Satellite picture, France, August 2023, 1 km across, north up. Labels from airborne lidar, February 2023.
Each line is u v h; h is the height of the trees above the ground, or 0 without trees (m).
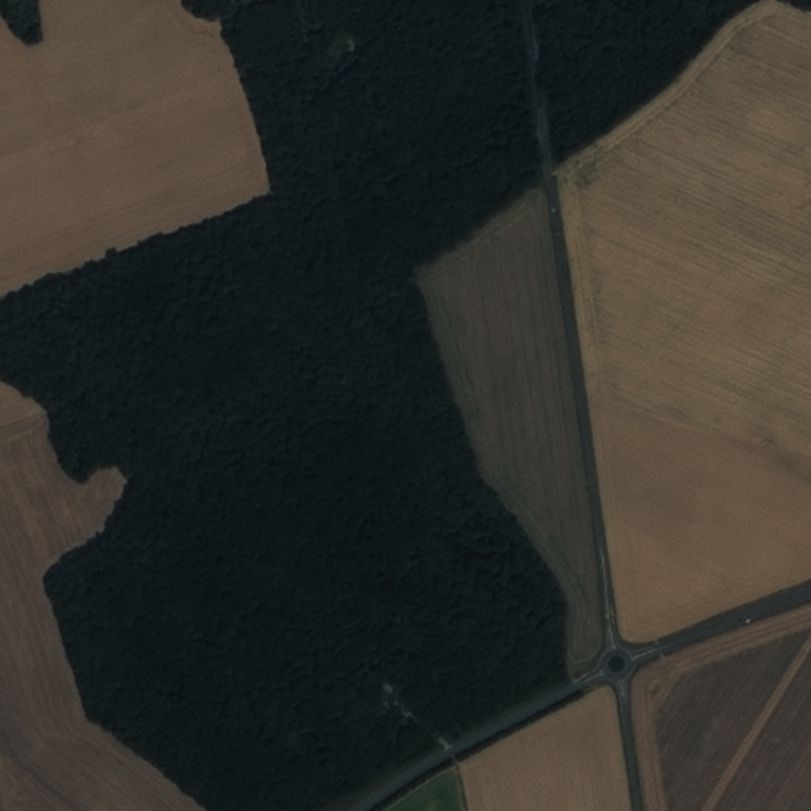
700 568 0
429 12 21
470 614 19
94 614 22
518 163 20
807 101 0
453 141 24
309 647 18
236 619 25
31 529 0
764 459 0
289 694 23
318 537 22
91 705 16
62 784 0
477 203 20
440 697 22
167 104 0
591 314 0
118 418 23
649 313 0
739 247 0
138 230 0
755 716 0
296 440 22
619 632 0
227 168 0
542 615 18
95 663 23
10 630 0
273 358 24
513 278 0
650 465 0
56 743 0
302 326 22
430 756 0
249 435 23
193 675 23
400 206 19
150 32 0
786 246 0
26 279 0
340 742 24
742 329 0
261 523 23
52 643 0
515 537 24
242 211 11
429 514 24
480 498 25
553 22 24
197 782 17
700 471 0
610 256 0
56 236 0
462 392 0
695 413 0
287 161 19
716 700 0
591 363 0
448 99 19
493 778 0
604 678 0
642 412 0
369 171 23
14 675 0
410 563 23
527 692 21
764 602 0
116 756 0
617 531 0
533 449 0
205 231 12
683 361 0
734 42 0
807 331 0
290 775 24
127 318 16
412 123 17
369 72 22
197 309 25
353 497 28
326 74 10
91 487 0
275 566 26
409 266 22
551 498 0
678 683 0
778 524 0
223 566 24
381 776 16
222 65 0
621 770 0
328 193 23
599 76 17
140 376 16
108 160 0
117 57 0
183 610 21
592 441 0
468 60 18
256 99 19
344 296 26
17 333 19
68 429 22
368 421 25
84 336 22
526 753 0
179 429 22
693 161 0
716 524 0
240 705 24
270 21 13
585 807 0
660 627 0
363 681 26
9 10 9
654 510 0
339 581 24
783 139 0
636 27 19
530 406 0
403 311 21
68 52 0
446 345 0
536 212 0
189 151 0
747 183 0
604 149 0
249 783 19
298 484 22
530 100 21
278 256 22
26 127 0
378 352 23
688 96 0
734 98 0
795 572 0
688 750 0
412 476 25
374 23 14
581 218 0
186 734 20
